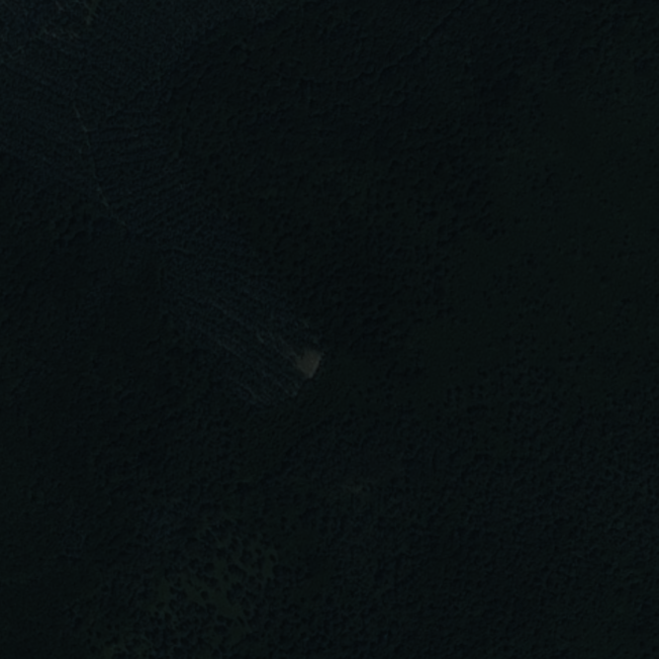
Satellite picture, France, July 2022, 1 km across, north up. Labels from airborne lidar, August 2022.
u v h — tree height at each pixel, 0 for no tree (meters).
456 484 15
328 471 15
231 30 17
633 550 13
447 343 7
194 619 7
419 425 20
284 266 11
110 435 16
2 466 23
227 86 21
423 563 20
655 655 7
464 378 7
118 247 28
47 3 23
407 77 18
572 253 10
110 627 17
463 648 17
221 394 21
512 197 6
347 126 26
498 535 18
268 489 22
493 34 21
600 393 7
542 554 15
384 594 16
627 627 8
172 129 16
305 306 17
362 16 20
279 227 15
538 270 8
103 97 15
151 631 7
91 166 18
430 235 7
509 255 6
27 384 22
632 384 7
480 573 18
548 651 9
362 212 15
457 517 6
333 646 19
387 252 16
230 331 22
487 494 17
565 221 6
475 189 18
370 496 7
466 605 10
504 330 7
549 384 17
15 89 19
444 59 20
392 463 16
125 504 18
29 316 22
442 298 14
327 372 7
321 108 21
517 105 7
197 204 13
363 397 10
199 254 14
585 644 9
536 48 14
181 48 15
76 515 21
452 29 17
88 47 17
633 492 6
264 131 21
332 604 18
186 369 15
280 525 7
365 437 8
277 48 20
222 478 15
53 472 23
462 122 18
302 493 8
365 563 7
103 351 25
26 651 23
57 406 22
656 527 12
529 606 20
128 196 15
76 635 24
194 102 16
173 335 18
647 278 10
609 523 12
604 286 6
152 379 20
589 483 13
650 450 10
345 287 8
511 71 9
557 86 6
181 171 14
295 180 11
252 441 8
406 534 15
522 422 15
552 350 6
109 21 15
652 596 8
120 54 17
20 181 20
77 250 20
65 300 22
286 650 7
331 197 12
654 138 9
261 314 16
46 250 21
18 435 23
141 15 15
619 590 14
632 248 7
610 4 11
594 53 23
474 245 6
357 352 18
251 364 17
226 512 15
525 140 7
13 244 22
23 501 24
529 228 7
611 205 7
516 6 22
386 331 17
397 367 13
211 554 20
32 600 22
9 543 22
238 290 16
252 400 15
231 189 13
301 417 10
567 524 9
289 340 16
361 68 20
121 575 22
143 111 13
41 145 20
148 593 19
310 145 24
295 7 13
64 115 18
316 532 6
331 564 7
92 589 15
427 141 18
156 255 29
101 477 14
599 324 7
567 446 8
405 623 16
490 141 17
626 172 5
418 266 8
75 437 22
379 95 15
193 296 18
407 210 7
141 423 21
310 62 21
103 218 9
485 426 8
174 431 18
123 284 24
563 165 7
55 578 23
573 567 13
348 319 13
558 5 22
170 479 17
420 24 20
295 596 7
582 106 6
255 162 13
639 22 12
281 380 15
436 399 6
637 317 8
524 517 13
